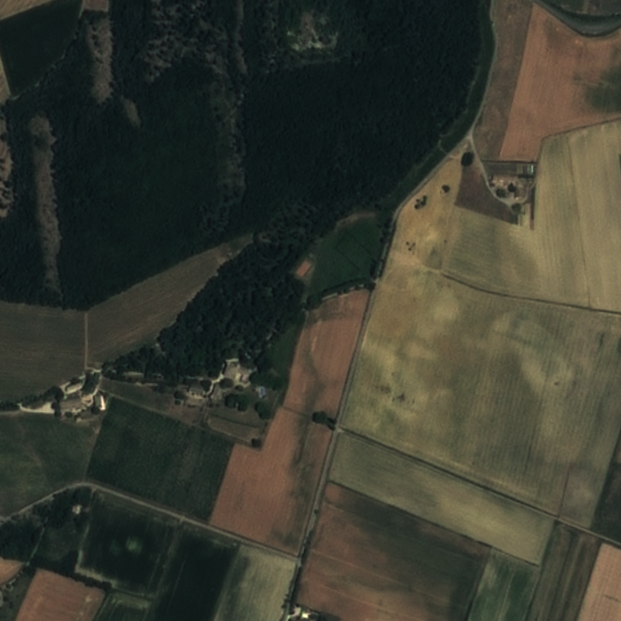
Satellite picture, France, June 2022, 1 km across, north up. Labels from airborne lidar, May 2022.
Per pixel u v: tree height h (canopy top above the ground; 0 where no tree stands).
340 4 9
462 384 0
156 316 0
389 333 0
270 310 22
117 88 22
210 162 10
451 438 0
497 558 0
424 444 0
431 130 8
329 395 0
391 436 0
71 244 10
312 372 0
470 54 17
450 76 15
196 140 8
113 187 10
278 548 0
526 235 0
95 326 0
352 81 12
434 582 0
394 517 0
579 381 0
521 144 0
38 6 0
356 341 0
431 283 0
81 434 0
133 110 0
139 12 16
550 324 0
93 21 14
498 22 0
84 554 0
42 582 0
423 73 10
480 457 0
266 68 19
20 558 14
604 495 0
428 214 0
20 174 25
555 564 0
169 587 0
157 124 11
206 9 22
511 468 0
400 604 0
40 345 0
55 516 6
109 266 10
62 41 0
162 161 8
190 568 0
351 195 17
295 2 10
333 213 23
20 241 21
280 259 22
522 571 0
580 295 0
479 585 0
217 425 0
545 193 0
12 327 0
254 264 21
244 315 24
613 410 0
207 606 0
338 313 0
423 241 0
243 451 0
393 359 0
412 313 0
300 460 0
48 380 0
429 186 0
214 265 0
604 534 0
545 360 0
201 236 14
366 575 0
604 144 0
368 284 8
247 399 12
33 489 0
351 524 0
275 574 0
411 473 0
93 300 8
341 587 0
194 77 15
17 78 0
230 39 17
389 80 9
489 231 0
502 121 0
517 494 0
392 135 14
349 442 0
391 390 0
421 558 0
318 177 22
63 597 0
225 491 0
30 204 20
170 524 0
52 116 16
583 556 0
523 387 0
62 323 0
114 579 0
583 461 0
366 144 21
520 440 0
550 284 0
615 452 0
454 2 17
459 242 0
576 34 0
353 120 11
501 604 0
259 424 0
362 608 0
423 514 0
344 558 0
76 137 16
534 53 0
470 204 0
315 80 14
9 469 0
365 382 0
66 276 11
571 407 0
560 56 0
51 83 15
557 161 0
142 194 9
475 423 0
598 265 0
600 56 0
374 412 0
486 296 0
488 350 0
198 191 11
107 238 11
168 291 0
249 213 15
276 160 17
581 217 0
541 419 0
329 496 0
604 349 0
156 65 0
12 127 17
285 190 13
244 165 15
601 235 0
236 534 0
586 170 0
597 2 0
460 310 0
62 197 17
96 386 8
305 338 0
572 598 0
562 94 0
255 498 0
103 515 0
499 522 0
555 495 0
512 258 0
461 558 0
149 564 0
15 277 13
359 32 16
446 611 0
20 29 0
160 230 9
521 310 0
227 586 0
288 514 0
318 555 0
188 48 20
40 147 20
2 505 0
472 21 18
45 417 0
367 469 0
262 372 21
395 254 0
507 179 0
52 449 0
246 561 0
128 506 0
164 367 16
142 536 0
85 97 19
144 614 0
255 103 14
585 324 0
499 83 0
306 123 16
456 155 0
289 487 0
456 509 0
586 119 0
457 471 0
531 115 0
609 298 0
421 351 0
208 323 26
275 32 12
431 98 15
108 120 16
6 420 0
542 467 0
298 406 0
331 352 0
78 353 0
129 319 0
